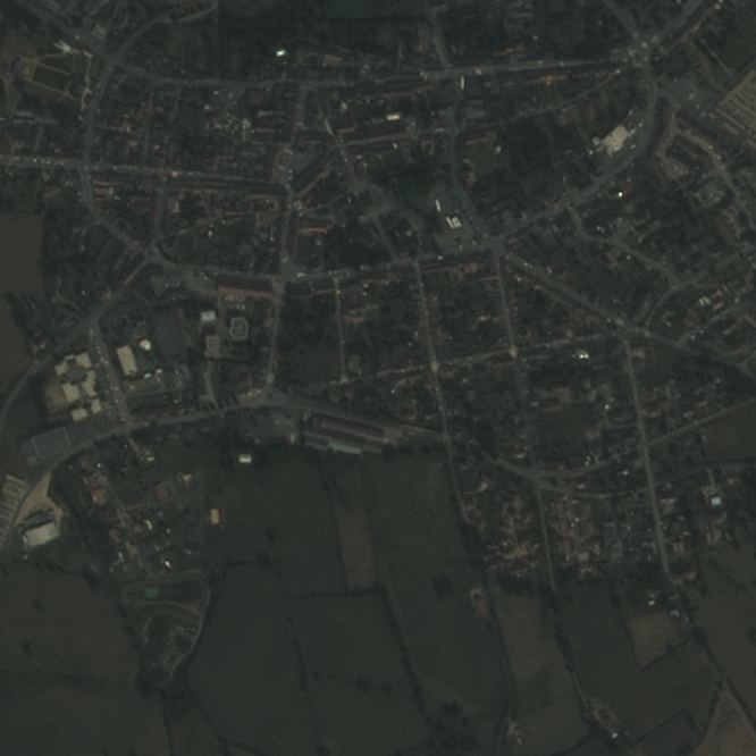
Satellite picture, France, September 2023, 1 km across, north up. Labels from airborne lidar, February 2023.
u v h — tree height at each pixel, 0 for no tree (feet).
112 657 0
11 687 0
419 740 0
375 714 0
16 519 0
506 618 0
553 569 0
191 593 0
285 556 0
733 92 0
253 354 30
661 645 0
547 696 0
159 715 0
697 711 0
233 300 0
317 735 0
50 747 0
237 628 0
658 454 0
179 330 0
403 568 0
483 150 0
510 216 0
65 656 0
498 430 0
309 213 0
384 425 0
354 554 0
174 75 0
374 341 26
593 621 0
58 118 64
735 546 27
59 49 0
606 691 0
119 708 0
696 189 24
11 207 31
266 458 45
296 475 0
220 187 0
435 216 51
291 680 0
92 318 0
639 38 0
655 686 0
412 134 0
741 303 0
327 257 35
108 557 0
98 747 0
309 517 0
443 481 0
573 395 0
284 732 0
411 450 30
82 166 0
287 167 0
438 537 0
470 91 0
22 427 0
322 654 0
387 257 26
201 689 0
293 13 62
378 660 0
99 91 0
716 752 0
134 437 29
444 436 0
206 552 0
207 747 0
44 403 40
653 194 0
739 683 0
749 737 0
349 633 0
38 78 0
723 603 0
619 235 0
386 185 39
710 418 0
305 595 0
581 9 36
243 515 0
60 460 0
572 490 0
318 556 0
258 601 0
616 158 0
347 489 0
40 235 0
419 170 49
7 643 0
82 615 0
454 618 0
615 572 0
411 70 0
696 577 23
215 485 0
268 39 20
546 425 0
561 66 0
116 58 0
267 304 0
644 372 0
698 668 0
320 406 0
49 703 0
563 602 0
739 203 0
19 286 0
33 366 0
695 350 0
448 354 0
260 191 0
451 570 0
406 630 0
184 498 0
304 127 0
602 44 36
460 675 0
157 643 0
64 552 0
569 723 0
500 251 0
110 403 0
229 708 0
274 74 0
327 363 0
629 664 0
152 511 20
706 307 24
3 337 0
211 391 0
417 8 0
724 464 0
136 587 0
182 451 0
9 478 0
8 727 0
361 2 0
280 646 0
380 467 0
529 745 0
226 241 0
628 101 24
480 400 34
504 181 45
